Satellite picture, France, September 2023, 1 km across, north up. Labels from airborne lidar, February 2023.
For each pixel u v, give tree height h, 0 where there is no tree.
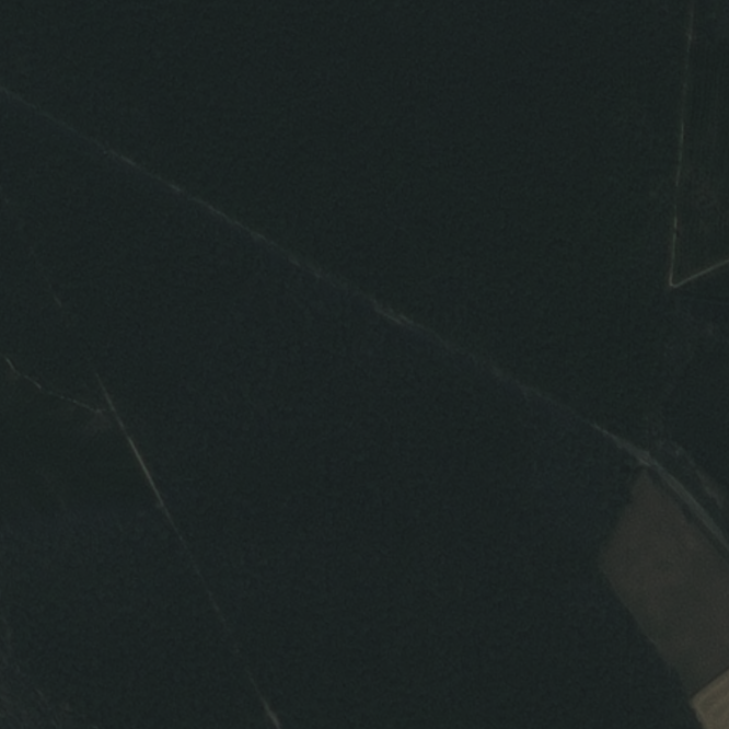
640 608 0
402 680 32
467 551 34
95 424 0
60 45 31
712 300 7
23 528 34
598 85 27
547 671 37
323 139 30
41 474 0
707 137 0
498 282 28
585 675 34
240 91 29
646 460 0
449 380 33
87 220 25
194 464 39
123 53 33
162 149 23
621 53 30
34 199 27
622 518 0
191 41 32
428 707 29
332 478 39
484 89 31
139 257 31
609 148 23
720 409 9
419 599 37
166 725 30
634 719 36
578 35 34
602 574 7
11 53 26
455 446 33
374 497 37
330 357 39
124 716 29
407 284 28
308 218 30
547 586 25
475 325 28
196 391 37
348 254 31
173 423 36
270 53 31
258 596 38
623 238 22
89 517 38
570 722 36
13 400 0
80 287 30
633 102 22
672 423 5
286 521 36
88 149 26
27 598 34
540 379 21
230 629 36
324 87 33
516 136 29
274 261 33
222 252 28
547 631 37
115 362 26
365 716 34
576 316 30
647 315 27
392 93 30
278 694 32
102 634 38
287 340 39
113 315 26
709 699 0
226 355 37
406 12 31
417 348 34
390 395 39
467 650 36
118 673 33
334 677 37
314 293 35
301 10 34
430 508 36
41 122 22
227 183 26
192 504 36
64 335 25
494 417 29
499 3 35
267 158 28
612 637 34
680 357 19
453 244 30
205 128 27
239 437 40
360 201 30
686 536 0
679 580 0
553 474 26
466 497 34
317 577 39
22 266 28
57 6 30
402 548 38
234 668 36
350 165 31
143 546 35
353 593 37
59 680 27
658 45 30
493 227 33
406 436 35
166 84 31
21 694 21
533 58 33
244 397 38
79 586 39
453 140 32
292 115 31
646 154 23
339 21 30
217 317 31
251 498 35
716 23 20
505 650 37
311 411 42
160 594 36
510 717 33
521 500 31
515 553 38
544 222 28
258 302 36
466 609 36
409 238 31
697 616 0
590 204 22
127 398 27
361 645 37
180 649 35
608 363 28
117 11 30
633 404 30
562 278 26
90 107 31
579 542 25
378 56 33
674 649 0
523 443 25
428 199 27
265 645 37
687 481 15
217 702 31
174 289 27
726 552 0
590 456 10
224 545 35
